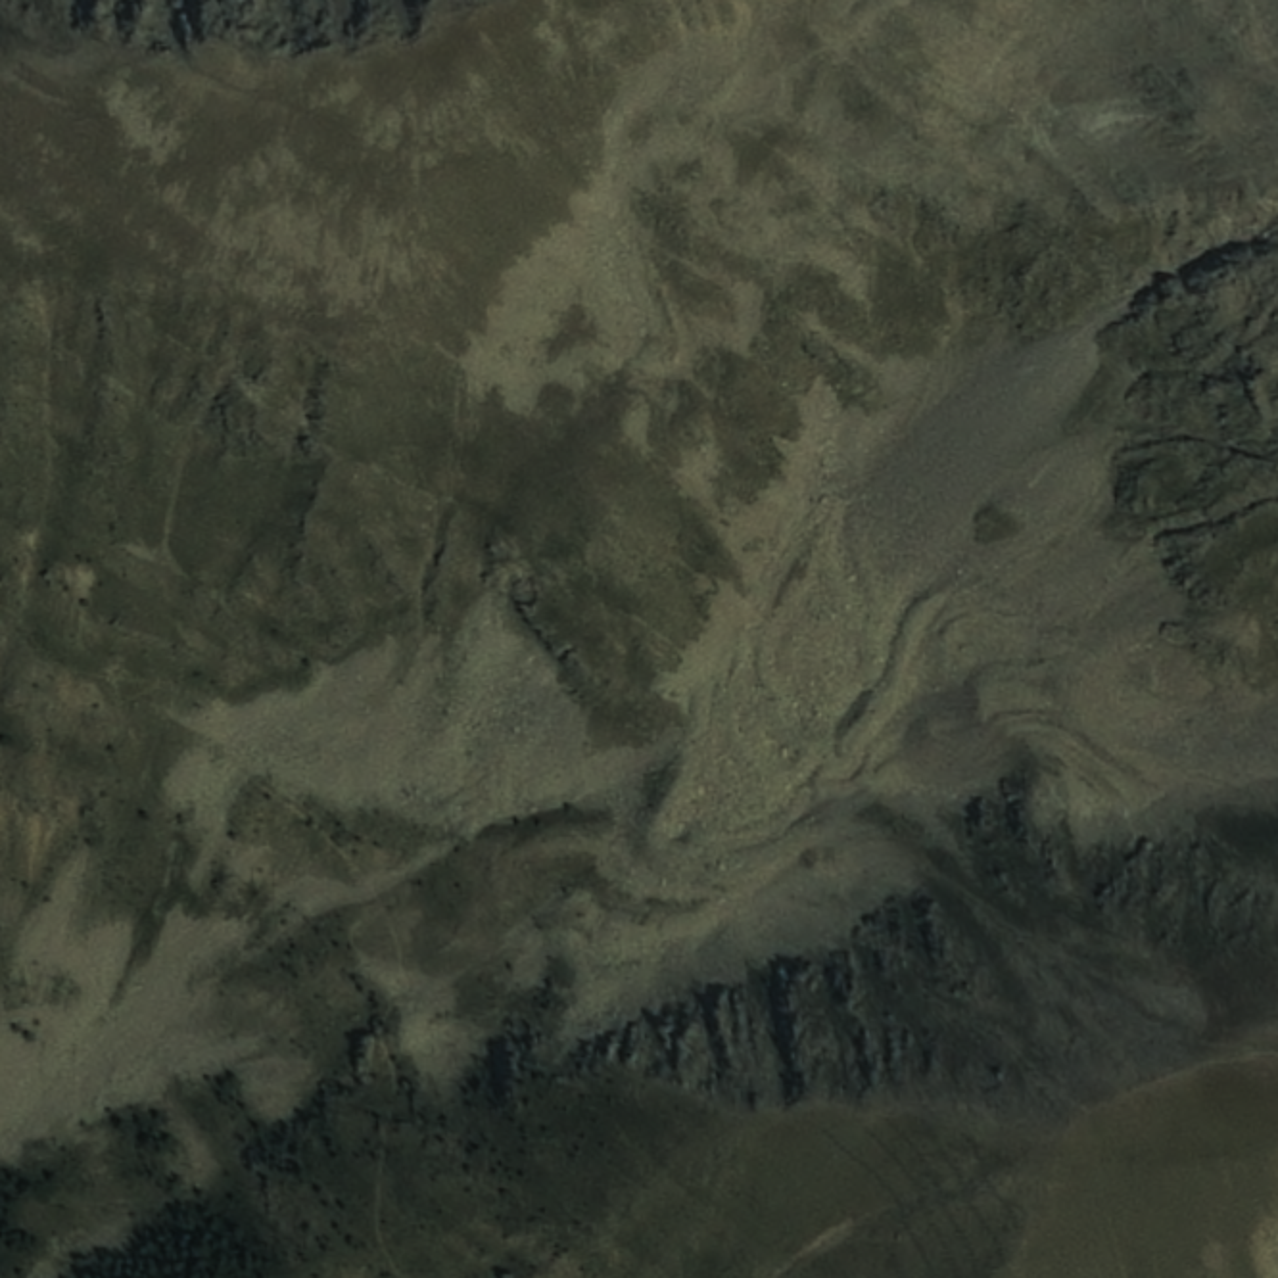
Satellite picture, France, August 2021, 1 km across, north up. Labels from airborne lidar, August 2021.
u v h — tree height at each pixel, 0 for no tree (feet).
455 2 0
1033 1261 0
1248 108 0
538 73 0
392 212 0
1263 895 0
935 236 0
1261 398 0
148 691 0
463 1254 0
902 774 0
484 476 0
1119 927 0
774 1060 0
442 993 0
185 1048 0
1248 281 0
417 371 0
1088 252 0
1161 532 0
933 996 0
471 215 0
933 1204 0
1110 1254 0
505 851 0
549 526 0
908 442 0
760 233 0
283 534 0
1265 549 0
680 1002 0
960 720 0
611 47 0
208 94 0
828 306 0
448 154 0
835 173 0
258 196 0
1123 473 0
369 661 0
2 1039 0
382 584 0
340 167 0
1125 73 0
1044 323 0
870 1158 0
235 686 0
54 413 0
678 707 0
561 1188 0
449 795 0
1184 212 0
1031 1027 0
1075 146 0
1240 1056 0
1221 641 0
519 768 0
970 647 0
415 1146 0
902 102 0
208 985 0
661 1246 0
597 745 0
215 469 0
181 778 0
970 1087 0
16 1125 0
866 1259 0
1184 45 0
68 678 0
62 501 0
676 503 0
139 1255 31
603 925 0
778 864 0
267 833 0
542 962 0
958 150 0
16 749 0
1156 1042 0
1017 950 0
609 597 0
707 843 0
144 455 0
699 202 0
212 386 0
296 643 0
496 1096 0
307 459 0
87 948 0
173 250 0
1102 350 0
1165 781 0
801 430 0
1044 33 0
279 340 0
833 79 0
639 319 0
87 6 0
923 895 0
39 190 0
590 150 0
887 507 0
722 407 0
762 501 0
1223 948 0
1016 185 0
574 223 0
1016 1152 0
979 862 0
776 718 0
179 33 0
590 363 0
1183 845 0
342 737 0
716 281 0
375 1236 0
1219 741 0
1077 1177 0
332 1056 0
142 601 0
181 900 0
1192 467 0
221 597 0
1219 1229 0
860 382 0
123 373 0
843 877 0
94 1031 0
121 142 0
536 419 0
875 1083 0
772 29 0
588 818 0
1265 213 0
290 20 0
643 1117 0
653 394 0
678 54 0
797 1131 0
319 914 0
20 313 0
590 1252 0
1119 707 0
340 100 0
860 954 0
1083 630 0
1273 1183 0
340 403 0
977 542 0
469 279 0
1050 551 0
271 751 0
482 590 0
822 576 0
